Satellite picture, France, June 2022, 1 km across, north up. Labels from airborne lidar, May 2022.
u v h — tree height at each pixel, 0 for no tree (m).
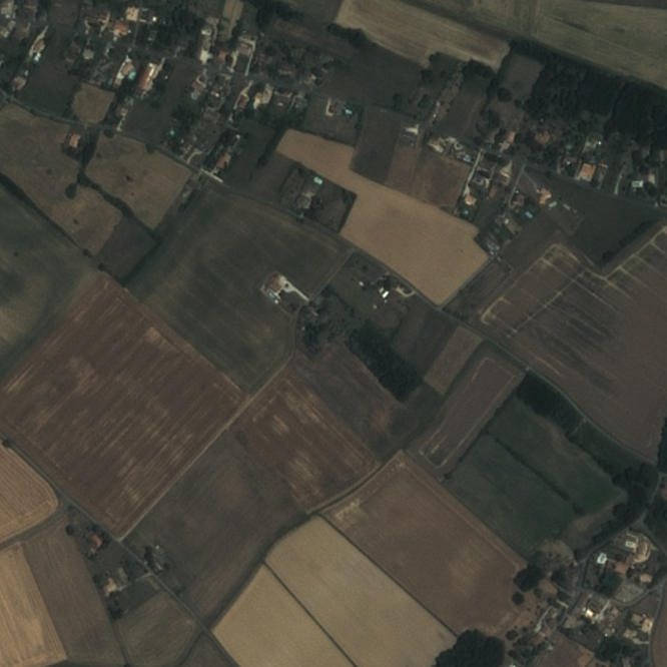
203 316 0
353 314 5
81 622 0
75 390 0
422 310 0
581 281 0
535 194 0
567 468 0
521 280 0
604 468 9
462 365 0
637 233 9
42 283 0
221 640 0
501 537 0
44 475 0
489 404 0
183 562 0
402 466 0
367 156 0
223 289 0
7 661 0
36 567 0
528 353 0
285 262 0
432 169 0
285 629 0
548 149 7
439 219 0
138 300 0
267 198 0
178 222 0
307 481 0
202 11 0
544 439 0
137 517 0
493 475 0
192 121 6
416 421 0
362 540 0
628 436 0
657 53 0
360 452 0
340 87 0
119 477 0
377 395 0
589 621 11
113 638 0
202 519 0
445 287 0
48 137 0
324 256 0
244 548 0
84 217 0
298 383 0
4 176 7
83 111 0
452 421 0
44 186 0
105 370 0
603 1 0
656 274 0
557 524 0
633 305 0
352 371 0
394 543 0
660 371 0
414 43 0
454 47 0
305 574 0
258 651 0
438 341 0
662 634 0
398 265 0
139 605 0
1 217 0
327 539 0
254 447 0
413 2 0
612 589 18
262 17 15
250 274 0
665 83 0
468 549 0
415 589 0
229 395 0
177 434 0
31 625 0
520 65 0
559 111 10
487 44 0
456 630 0
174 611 0
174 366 0
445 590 0
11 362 0
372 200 0
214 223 0
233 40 10
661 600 0
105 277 0
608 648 6
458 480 0
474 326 0
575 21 0
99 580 7
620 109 22
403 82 0
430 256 0
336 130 0
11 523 0
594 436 0
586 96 16
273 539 0
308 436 0
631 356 0
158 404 0
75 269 0
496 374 0
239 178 0
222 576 0
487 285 0
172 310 0
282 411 0
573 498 0
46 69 0
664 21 0
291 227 0
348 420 0
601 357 0
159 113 0
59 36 0
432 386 0
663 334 0
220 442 0
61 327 0
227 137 13
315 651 0
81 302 0
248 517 0
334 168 0
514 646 9
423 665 0
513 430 0
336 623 0
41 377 0
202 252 0
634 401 0
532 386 15
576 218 0
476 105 0
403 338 0
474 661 17
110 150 0
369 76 0
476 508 0
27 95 0
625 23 0
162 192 0
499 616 0
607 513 0
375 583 0
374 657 0
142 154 0
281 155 0
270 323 0
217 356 0
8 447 10
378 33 0
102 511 0
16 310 0
